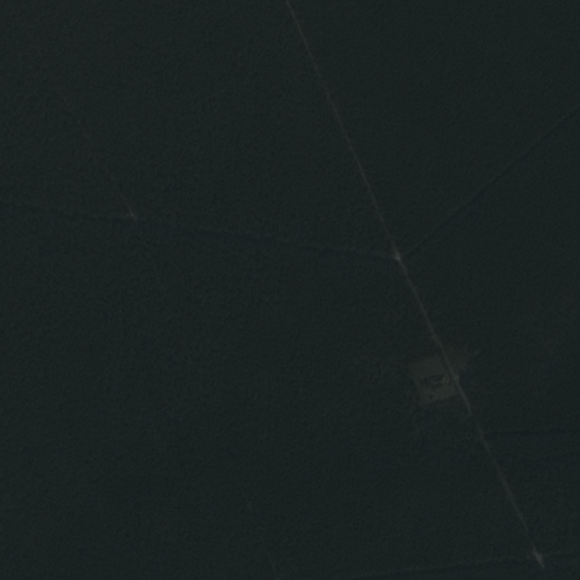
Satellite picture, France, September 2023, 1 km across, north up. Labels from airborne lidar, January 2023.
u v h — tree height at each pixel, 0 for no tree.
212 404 22
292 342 19
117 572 20
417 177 18
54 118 25
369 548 18
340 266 16
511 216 17
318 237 24
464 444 15
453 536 20
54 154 26
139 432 26
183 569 18
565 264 17
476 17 18
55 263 26
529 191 17
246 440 23
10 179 21
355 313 19
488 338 14
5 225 25
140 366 25
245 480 21
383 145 16
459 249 19
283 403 22
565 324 12
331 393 21
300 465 22
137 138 26
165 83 20
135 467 22
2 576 19
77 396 24
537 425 17
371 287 20
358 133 20
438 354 12
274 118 23
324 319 23
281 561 21
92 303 19
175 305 23
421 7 19
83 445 25
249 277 26
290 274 22
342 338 20
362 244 17
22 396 25
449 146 20
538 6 22
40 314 25
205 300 20
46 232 22
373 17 20
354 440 25
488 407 15
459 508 20
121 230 23
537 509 26
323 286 23
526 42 20
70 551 18
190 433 22
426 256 17
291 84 21
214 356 23
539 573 30
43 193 26
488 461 23
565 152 18
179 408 23
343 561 21
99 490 20
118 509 21
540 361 8
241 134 25
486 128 18
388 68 18
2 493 28
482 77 17
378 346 20
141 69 19
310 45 16
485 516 19
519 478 26
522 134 18
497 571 18
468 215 17
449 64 20
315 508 21
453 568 15
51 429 24
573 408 20
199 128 24
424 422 16
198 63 24
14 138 26
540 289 16
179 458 22
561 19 19
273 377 24
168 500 19
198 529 19
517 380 13
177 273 25
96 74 24
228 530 16
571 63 18
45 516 16
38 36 23
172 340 21
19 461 26
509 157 16
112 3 24
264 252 24
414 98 20
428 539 19
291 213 25
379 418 23
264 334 21
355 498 23
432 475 22
